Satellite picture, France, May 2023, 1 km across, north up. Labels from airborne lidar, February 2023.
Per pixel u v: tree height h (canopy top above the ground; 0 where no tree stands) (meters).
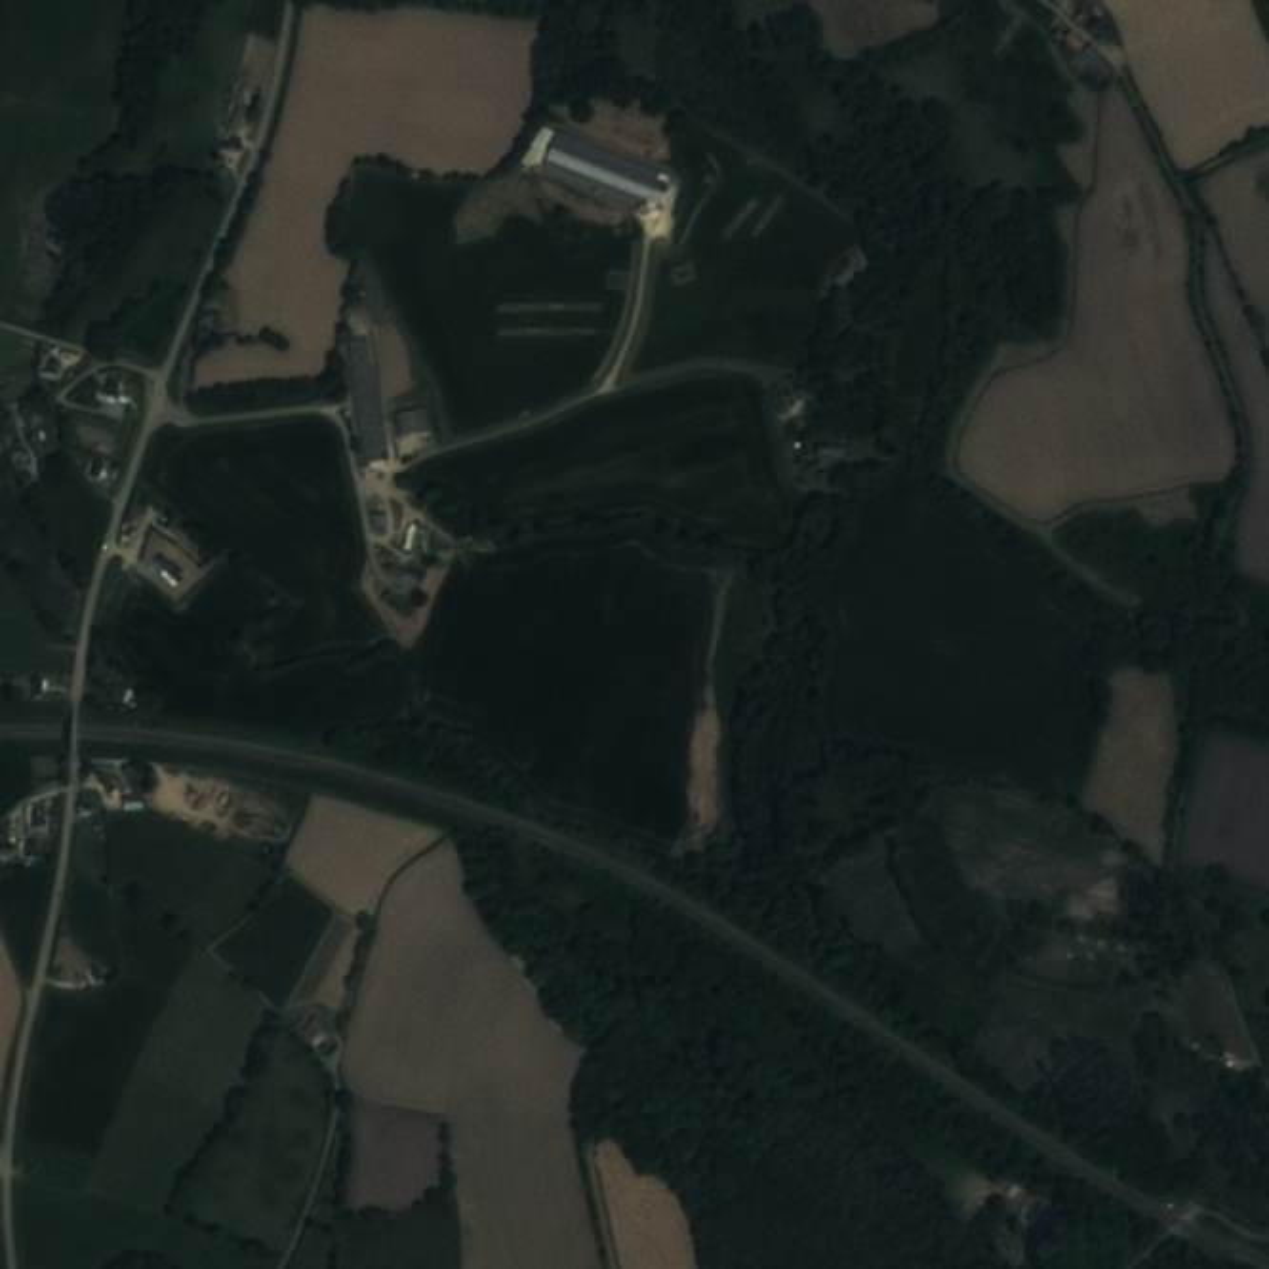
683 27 5
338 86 0
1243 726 9
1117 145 0
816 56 15
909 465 11
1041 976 0
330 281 0
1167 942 9
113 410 0
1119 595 0
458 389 0
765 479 0
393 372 0
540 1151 0
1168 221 0
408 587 0
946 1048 8
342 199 7
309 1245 0
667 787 0
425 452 0
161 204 10
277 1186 0
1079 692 0
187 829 0
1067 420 0
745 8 0
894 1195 30
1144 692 0
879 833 19
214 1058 0
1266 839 0
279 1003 0
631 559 0
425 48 0
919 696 0
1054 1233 25
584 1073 16
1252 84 0
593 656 0
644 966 6
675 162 0
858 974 21
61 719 0
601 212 0
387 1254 0
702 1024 23
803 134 7
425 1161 0
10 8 0
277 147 0
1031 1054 0
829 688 0
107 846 0
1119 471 0
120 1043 0
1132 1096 22
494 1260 0
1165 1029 9
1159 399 0
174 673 0
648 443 0
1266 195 0
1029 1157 8
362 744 15
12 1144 0
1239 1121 9
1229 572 14
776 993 7
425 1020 0
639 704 0
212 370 0
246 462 0
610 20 20
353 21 0
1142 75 0
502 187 0
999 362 0
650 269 0
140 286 0
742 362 0
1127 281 0
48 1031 0
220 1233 13
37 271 15
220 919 0
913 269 14
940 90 0
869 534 0
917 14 0
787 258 0
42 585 0
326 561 0
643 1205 0
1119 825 0
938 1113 11
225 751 0
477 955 0
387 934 0
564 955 20
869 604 0
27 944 0
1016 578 0
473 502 0
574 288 0
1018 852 0
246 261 0
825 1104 26
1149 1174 13
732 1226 14
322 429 0
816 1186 20
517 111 0
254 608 0
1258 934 0
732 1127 26
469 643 0
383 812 0
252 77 0
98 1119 0
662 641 0
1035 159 0
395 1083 0
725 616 0
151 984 0
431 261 0
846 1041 10
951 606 0
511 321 0
